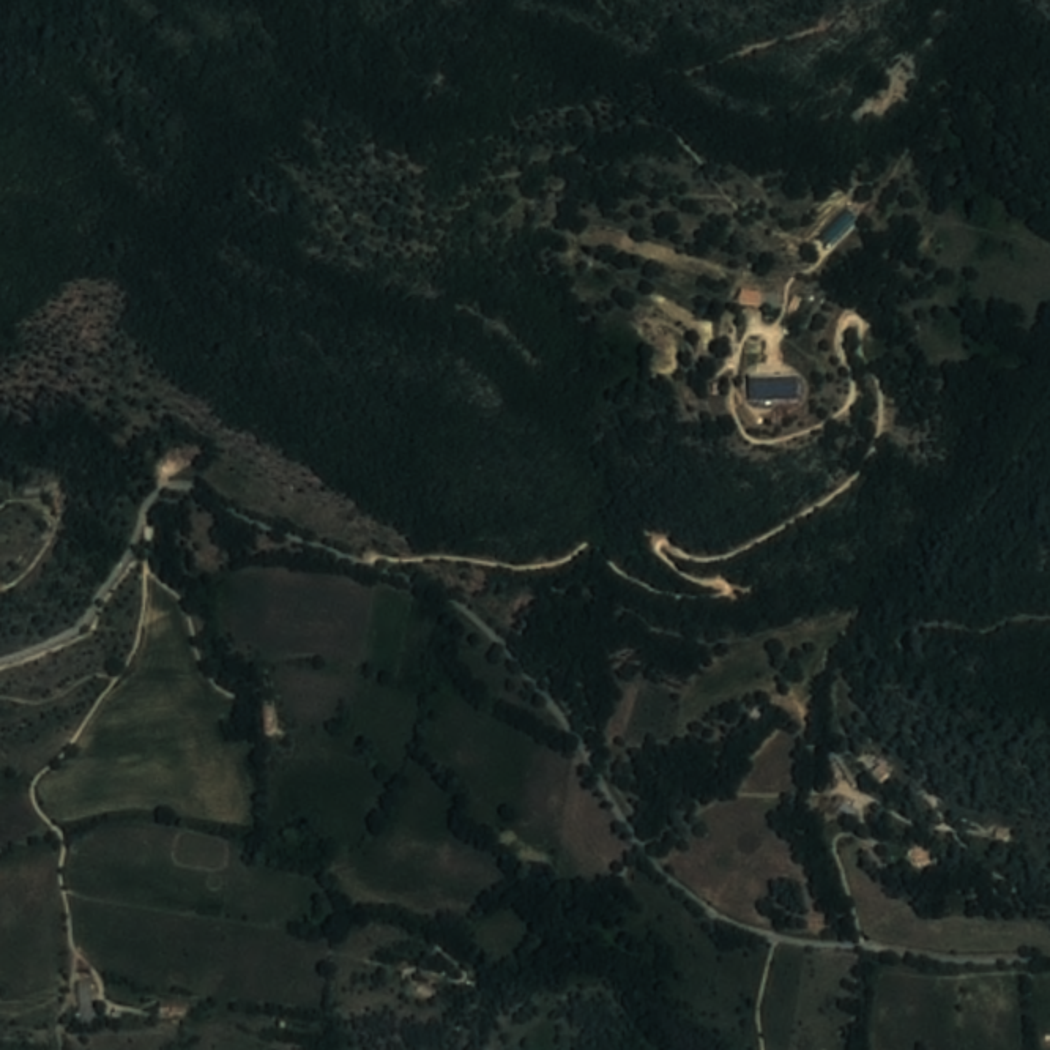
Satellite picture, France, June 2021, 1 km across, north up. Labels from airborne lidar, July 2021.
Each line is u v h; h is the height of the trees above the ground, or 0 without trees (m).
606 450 11
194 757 0
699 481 9
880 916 0
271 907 0
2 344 7
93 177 9
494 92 10
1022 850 15
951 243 0
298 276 10
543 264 12
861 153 8
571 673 16
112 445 10
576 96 12
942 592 12
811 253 15
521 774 0
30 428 15
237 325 7
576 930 23
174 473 0
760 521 10
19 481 10
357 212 5
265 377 9
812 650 10
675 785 14
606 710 17
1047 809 11
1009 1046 0
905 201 15
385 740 0
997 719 18
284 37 12
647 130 13
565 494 11
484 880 0
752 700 12
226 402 9
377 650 0
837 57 8
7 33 12
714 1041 11
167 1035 0
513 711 14
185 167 11
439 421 9
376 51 11
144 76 11
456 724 0
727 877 0
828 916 13
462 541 10
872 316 17
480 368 9
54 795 0
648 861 11
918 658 24
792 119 15
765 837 0
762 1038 7
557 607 13
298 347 8
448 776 18
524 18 13
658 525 13
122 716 0
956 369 16
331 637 0
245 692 12
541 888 18
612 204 12
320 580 0
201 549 9
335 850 14
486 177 10
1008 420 18
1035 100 15
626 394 12
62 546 10
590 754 10
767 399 0
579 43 17
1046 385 16
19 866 0
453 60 10
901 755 11
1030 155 13
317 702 0
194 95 14
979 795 16
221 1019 0
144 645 0
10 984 0
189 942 0
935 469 11
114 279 10
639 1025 14
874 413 12
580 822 0
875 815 14
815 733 16
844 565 12
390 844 0
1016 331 15
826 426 9
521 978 15
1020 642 11
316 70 10
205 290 8
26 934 0
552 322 14
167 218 10
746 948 11
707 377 12
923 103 12
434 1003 15
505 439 6
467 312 6
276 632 0
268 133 15
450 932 17
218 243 8
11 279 9
